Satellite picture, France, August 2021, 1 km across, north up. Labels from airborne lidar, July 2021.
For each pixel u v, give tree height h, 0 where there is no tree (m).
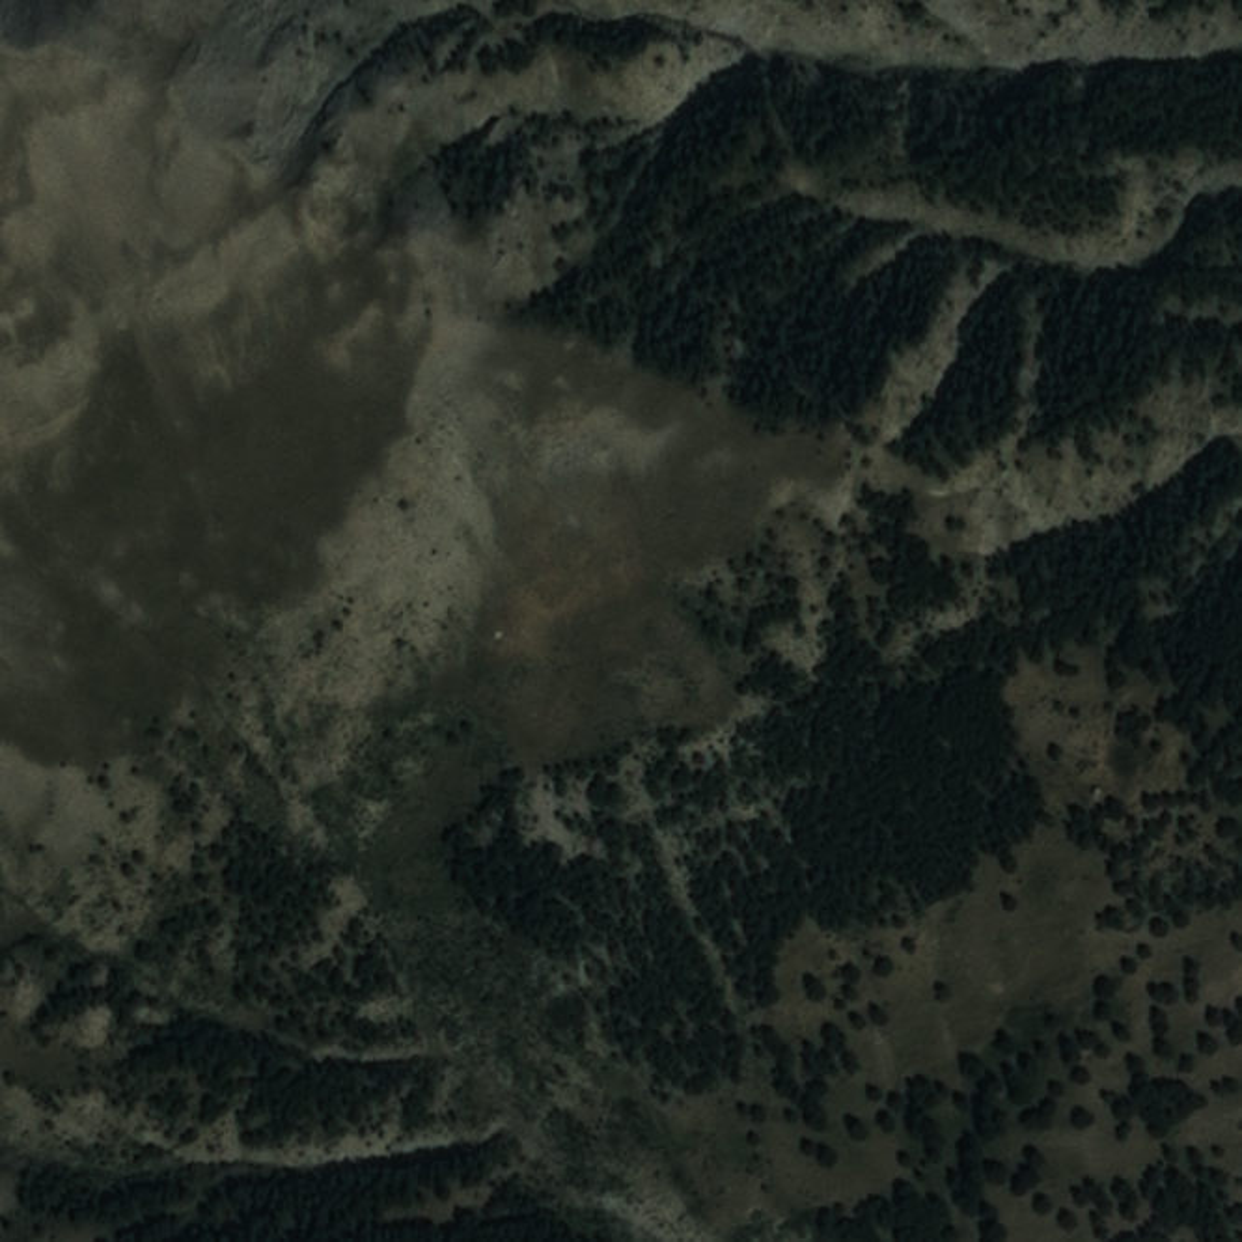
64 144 0
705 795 15
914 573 21
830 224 10
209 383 0
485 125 0
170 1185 8
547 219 0
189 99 0
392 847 0
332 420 0
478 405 0
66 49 0
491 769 0
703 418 0
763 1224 0
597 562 0
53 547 0
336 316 0
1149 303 15
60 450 0
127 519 0
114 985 9
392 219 0
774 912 24
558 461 0
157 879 14
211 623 0
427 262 0
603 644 0
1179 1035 0
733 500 0
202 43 0
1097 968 0
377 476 0
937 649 16
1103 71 12
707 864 8
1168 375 10
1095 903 0
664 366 7
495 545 0
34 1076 0
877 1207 21
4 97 0
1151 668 18
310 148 0
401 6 0
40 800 0
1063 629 21
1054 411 7
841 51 0
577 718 0
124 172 0
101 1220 16
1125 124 13
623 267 11
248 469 0
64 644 0
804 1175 0
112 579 0
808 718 19
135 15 0
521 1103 0
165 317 0
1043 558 7
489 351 0
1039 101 19
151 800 0
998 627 17
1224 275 13
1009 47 0
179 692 0
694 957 17
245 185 0
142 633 0
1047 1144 0
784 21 0
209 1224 17
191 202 0
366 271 0
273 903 16
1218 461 14
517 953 0
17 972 8
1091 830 8
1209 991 0
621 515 0
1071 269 11
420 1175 18
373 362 0
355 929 12
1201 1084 0
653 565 0
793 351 7
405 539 0
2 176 0
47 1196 17
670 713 0
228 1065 14
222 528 0
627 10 0
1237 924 0
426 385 0
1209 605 25
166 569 0
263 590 0
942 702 26
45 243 0
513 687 0
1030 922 0
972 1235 0
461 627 0
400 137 0
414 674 0
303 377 0
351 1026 23
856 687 9
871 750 24
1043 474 0
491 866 21
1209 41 0
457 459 0
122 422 0
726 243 9
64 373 0
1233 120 14
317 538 0
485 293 0
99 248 0
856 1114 0
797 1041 0
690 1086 16
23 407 0
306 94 0
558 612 0
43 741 0
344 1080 22
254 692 0
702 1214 0
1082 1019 0
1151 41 0
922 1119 26
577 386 0
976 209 11
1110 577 15
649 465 0
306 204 0
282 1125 10
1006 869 20
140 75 0
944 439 18
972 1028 0
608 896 10
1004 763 24
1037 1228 0
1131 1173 0
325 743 0
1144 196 0
